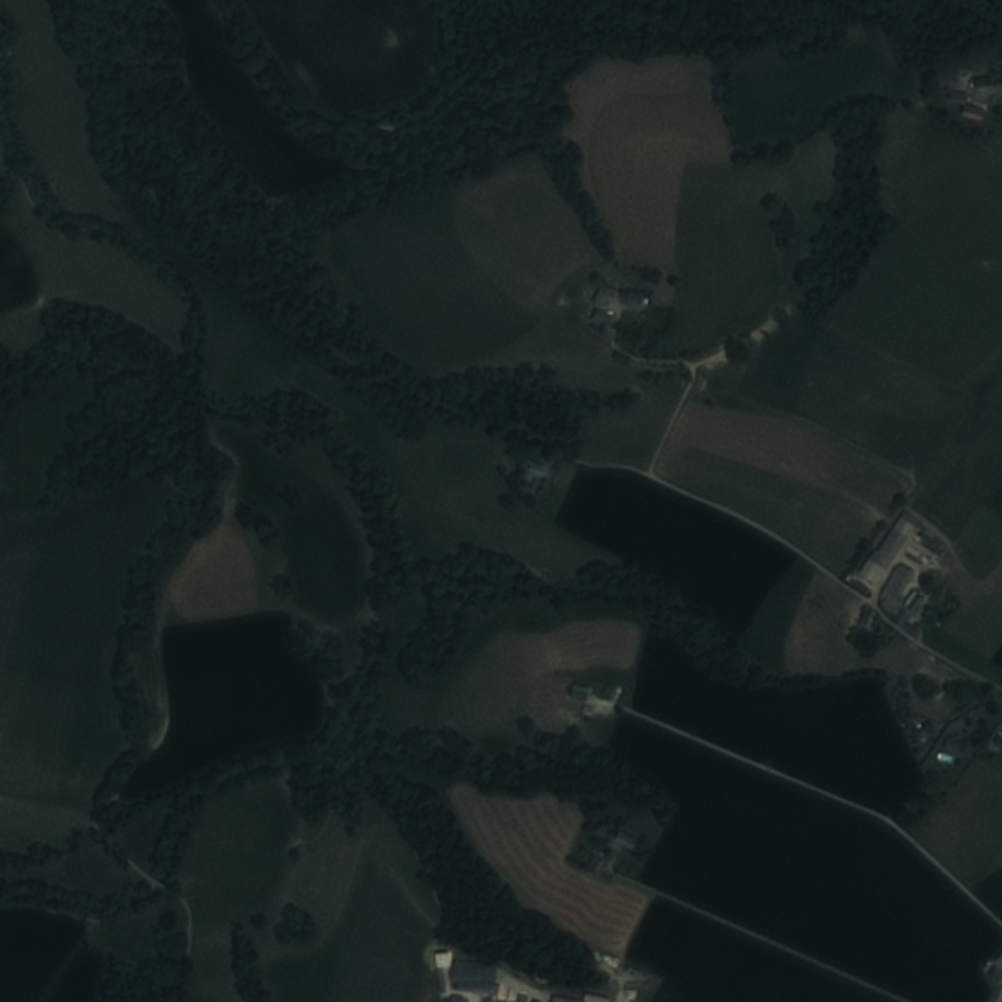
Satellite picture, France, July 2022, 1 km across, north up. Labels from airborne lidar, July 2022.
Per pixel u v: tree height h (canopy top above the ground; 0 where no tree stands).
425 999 0
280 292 11
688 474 0
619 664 0
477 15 29
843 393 0
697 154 0
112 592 0
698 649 21
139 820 7
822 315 20
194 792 12
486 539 0
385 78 0
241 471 0
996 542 0
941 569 0
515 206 0
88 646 0
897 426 0
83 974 0
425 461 0
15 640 0
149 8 20
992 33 28
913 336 0
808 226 0
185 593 0
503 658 0
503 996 0
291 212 25
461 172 27
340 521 0
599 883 0
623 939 0
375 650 28
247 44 19
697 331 0
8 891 19
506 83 29
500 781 23
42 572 0
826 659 0
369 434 0
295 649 14
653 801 20
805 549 0
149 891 18
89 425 23
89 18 25
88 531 0
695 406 0
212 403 17
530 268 0
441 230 0
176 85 31
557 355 0
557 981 8
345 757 29
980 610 0
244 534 0
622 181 0
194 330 12
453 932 21
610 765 25
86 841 25
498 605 15
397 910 0
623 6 29
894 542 0
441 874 25
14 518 0
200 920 0
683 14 31
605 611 0
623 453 0
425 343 0
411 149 30
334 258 0
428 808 22
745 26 6
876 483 0
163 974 28
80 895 8
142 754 20
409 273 0
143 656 0
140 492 0
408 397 18
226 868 0
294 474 0
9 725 0
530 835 0
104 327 12
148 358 28
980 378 0
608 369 0
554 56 25
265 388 0
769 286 0
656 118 0
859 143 29
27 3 0
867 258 20
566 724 0
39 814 0
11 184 9
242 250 23
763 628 0
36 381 27
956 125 11
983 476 0
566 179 24
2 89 9
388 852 0
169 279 18
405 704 0
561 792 15
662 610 32
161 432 30
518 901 24
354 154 26
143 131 18
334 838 0
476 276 0
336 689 7
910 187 0
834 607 0
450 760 26
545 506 0
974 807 0
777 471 0
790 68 0
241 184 12
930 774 7
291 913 16
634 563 15
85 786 0
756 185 0
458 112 45
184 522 22
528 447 28
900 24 22
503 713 0
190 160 24
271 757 26
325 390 0
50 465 0
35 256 0
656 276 11
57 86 0
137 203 11
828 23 29
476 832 0
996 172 0
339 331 12
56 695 0
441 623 29
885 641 6
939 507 0
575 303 0
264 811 0
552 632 0
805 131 0
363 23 0
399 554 20
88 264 0
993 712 20
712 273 0
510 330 0
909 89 0
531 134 25
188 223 19
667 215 0
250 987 22
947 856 0
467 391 20
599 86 0
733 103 19
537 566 0
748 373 0
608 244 22
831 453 0
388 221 0
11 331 0
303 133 23
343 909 0
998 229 0
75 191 0
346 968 0
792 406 0
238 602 0
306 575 0
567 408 31
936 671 0
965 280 0
